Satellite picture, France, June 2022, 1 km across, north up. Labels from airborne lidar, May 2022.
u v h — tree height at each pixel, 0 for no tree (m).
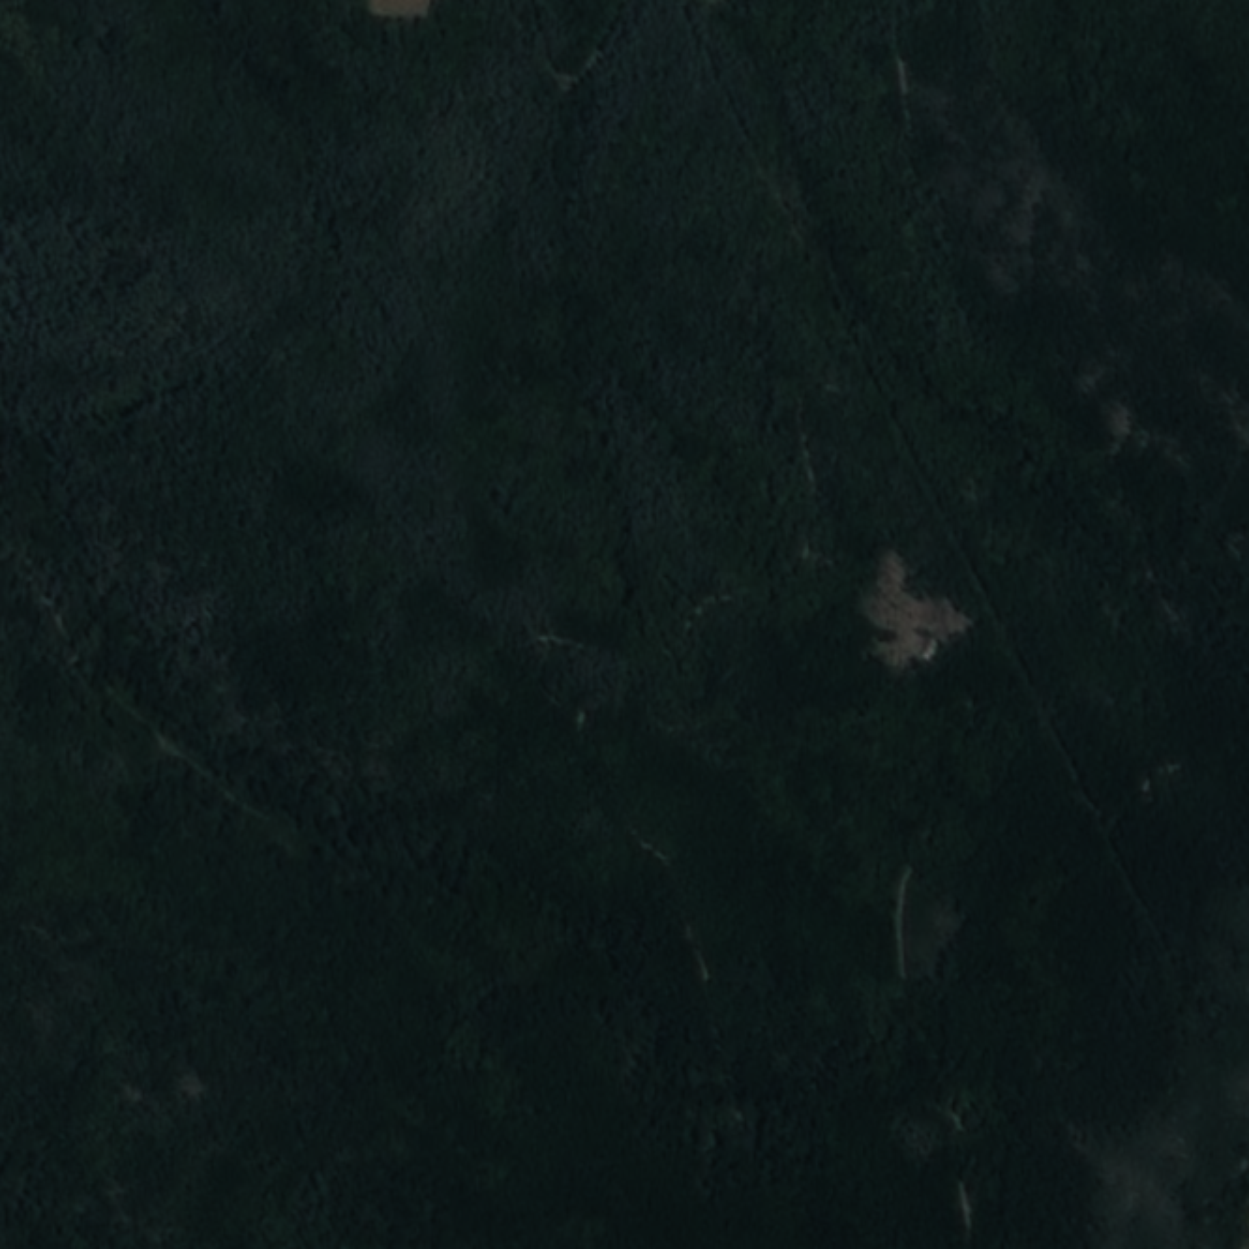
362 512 15
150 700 15
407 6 0
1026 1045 17
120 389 26
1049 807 19
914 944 0
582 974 8
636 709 13
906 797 19
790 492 15
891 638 15
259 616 13
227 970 14
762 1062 16
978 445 16
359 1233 9
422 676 9
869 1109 8
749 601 12
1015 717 10
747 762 14
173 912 13
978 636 15
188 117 14
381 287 18
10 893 13
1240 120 14
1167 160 13
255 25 17
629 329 17
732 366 14
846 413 8
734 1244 14
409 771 18
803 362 11
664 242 13
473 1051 17
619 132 14
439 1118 17
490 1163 18
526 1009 23
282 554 9
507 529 11
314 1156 9
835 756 14
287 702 12
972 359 13
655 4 21
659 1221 15
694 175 11
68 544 13
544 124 22
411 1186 8
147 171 15
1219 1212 7
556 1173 18
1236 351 8
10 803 12
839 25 15
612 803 12
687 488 15
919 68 7
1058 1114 12
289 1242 7
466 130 18
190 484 9
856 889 10
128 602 10
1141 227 6
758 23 12
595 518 17
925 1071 13
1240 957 7
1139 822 10
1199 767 10
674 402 23
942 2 9
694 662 11
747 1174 19
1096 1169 6
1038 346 9
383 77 20
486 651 11
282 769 18
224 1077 6
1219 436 6
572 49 20
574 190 21
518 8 22
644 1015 13
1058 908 13
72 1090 13
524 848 7
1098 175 7
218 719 15
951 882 16
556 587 14
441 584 15
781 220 10
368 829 20
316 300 16
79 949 10
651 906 12
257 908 17
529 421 14
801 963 9
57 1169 10
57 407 21
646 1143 18
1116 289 6
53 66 16
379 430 15
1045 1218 13
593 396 11
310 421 13
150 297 22
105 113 15
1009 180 6
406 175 13
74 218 20
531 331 10
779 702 12
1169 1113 5
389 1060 10
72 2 17
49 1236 16
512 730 12
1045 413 14
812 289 9
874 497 10
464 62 9
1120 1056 11
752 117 15
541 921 13
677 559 10
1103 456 13
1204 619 9
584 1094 17
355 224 13
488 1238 9
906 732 13
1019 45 12
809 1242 19
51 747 12
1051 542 10
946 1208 10
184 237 18
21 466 16
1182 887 11
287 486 13
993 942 15
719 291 12
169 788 10
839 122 21
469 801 10
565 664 8
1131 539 12
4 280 23
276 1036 14
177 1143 11
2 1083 8
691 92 19
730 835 14
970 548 11
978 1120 10
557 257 16
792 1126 12
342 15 12
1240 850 10
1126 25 14
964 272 11
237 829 17
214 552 10
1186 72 16
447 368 13
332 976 18
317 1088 6
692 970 7
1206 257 6
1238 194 7
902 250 13
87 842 16
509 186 23
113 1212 8
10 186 18
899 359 18
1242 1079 0
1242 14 14
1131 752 10
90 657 16
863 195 16
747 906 9
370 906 14
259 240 15
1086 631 10
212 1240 6
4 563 13
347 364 16
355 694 10
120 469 15
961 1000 18
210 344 15
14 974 11
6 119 18
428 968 16
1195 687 17
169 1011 12
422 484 17
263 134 14
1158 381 6
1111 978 7
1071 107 13
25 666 17
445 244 22
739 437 18
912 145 9
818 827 13
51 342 25
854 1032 14
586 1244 15
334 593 16
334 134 10
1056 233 6
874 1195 7
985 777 17
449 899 20
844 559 14
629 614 16
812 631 18
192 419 14
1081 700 6
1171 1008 7
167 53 14
